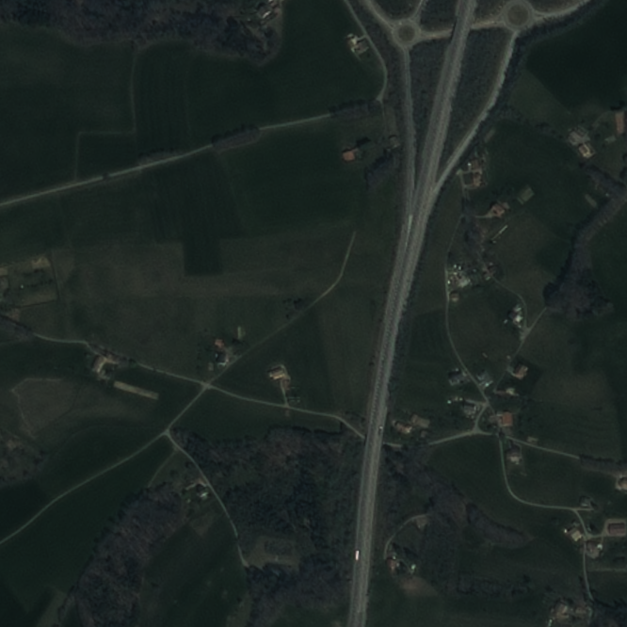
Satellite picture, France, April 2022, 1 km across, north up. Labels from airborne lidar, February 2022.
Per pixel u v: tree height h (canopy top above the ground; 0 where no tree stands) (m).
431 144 0
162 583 0
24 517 0
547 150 0
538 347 0
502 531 22
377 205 0
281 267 0
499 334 0
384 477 8
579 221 0
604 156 0
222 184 0
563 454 0
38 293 0
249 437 0
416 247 0
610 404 0
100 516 0
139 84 0
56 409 0
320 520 22
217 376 0
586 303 22
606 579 0
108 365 0
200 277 0
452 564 15
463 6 0
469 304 0
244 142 16
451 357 0
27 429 0
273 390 0
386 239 0
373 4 0
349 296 0
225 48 21
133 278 0
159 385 0
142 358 0
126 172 0
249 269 0
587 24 0
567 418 0
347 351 0
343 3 0
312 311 0
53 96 0
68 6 27
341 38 0
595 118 0
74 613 0
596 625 10
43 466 11
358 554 0
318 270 0
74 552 0
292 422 0
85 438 0
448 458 0
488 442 0
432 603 0
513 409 0
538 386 0
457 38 0
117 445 0
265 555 0
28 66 0
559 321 0
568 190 0
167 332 0
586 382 0
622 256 0
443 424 9
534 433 0
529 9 0
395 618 0
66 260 0
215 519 0
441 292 0
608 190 25
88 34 22
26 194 0
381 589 0
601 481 0
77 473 0
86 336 0
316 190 0
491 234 0
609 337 0
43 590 0
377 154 0
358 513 0
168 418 0
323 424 0
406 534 0
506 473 0
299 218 0
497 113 12
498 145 0
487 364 0
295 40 0
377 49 0
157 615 0
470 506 0
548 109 0
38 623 0
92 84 0
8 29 0
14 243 0
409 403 0
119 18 11
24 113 0
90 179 0
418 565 10
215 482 24
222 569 0
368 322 0
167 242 0
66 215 0
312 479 22
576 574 0
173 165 0
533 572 0
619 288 0
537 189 0
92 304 0
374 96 0
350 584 7
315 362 0
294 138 0
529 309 0
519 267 0
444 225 0
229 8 20
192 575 0
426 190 0
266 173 0
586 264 25
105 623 23
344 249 0
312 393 0
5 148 0
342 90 0
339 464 17
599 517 0
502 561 0
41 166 0
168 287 0
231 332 0
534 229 0
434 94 0
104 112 0
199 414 0
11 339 0
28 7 22
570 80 0
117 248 0
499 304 0
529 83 0
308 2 0
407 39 0
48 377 0
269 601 30
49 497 0
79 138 0
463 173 0
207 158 0
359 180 0
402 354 14
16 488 0
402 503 15
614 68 0
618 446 0
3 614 0
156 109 0
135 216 0
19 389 0
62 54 0
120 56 0
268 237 0
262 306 0
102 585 19
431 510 15
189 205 0
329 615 0
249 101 0
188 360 0
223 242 0
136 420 0
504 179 0
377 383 0
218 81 0
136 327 0
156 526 31
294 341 0
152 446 0
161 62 0
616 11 0
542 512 0
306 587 31
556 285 0
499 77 0
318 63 0
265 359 0
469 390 0
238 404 0
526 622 0
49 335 0
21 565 0
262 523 8
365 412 0
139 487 0
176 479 18
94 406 0
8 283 0
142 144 0
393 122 0
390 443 0
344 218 0
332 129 0
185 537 0
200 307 0
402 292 0
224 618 0
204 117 0
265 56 5
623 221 0
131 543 27
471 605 0
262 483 6
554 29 10
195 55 0
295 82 0
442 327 0
